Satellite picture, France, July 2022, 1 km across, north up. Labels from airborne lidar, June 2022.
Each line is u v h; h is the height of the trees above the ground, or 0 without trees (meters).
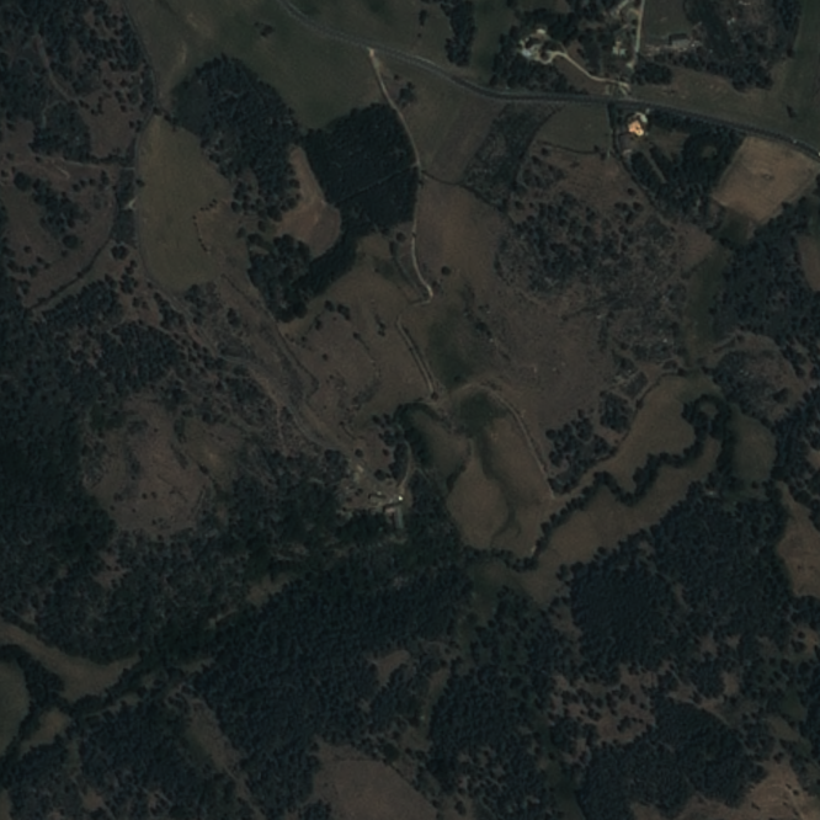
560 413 0
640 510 0
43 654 0
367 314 0
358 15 0
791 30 16
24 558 11
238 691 20
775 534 15
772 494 16
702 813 0
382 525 8
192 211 0
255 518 15
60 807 7
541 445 0
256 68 0
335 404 0
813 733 13
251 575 6
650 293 0
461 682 15
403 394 0
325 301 0
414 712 7
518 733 13
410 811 0
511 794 14
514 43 8
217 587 11
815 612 16
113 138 0
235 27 0
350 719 21
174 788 11
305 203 0
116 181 0
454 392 0
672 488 0
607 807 19
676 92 0
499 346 0
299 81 0
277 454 10
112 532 11
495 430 0
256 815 0
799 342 11
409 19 0
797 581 0
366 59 0
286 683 15
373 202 11
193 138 0
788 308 8
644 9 0
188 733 0
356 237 8
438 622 12
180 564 13
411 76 0
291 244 11
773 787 0
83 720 9
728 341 0
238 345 0
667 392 0
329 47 0
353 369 0
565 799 0
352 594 15
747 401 11
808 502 15
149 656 6
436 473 0
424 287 0
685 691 0
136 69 11
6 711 0
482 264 0
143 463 0
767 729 12
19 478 12
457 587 15
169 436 0
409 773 0
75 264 0
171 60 0
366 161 9
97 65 12
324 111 0
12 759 14
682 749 16
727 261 0
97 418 8
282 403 0
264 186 15
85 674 0
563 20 9
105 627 6
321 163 10
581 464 14
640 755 21
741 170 0
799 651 13
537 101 0
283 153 18
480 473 0
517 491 0
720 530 19
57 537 18
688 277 0
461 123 0
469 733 15
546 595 0
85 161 6
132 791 12
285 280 13
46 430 6
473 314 0
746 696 15
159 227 0
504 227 0
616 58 0
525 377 0
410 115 0
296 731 17
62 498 13
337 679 14
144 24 0
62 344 14
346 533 15
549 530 19
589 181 0
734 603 16
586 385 0
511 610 11
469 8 21
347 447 0
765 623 19
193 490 0
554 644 12
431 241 0
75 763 0
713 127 8
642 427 0
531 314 0
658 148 9
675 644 15
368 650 15
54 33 17
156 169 0
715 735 21
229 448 0
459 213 0
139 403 0
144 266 0
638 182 7
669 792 20
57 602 7
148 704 10
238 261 0
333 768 0
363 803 0
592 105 0
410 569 6
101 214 0
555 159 0
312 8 0
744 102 0
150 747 19
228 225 0
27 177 16
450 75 0
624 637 11
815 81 0
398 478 17
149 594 13
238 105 18
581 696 12
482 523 0
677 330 14
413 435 17
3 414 10
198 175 0
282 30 0
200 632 19
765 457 0
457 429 0
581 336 0
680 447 0
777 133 0
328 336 0
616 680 11
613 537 0
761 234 7
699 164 15
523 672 9
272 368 0
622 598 19
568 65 0
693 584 16
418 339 0
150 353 14
